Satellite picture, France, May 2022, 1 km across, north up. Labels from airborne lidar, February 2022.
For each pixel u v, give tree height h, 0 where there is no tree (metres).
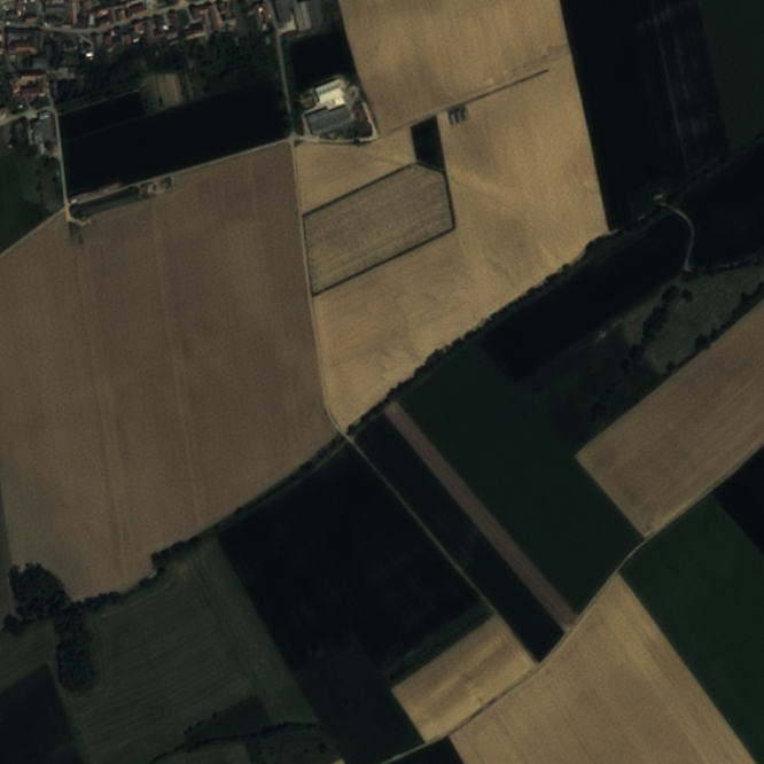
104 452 0
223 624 0
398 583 0
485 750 0
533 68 0
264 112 0
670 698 0
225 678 0
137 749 0
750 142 0
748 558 0
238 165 0
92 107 0
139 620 0
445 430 0
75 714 0
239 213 0
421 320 0
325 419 0
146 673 0
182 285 0
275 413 0
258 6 0
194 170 0
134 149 0
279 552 0
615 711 0
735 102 0
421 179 0
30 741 0
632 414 0
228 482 0
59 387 0
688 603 0
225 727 0
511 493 0
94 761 0
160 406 0
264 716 0
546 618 0
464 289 0
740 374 0
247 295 0
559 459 0
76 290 0
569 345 0
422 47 0
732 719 0
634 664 0
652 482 0
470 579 0
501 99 0
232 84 0
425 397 0
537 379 0
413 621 0
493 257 0
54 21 0
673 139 0
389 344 0
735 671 0
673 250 0
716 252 0
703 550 0
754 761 0
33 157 0
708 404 0
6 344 0
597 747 0
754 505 0
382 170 0
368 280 0
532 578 0
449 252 0
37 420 0
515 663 0
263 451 0
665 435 0
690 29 0
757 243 0
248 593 0
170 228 0
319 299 0
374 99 0
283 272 0
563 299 0
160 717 0
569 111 0
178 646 0
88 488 0
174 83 0
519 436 0
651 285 0
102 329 0
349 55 0
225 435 0
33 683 0
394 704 0
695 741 0
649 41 0
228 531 0
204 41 0
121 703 0
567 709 0
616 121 0
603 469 0
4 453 0
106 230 0
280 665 0
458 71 0
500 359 0
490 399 0
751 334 0
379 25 0
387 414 0
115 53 0
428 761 0
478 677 0
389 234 0
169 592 0
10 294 0
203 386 0
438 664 0
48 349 0
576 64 0
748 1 0
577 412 0
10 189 0
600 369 0
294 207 0
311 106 0
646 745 0
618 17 0
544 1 0
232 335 0
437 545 0
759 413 0
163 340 0
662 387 0
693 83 0
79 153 0
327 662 0
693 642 0
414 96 0
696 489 0
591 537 0
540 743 0
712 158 0
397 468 0
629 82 0
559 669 0
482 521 0
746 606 0
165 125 0
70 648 14
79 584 0
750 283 0
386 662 0
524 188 0
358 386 0
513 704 0
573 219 0
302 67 0
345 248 0
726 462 0
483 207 0
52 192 0
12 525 0
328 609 0
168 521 0
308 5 0
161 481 0
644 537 0
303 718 0
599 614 0
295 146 0
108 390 0
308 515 0
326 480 0
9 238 0
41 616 9
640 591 0
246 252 0
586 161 0
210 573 0
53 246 0
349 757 0
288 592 0
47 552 0
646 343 6
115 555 0
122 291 0
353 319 0
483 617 0
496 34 0
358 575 0
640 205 0
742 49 0
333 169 0
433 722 0
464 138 0
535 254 0
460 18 0
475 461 0
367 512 0
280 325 0
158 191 0
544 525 0
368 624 0
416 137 0
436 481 0
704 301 0
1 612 0
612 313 0
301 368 0
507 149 0
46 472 0
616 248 0
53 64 9
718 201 0
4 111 0
